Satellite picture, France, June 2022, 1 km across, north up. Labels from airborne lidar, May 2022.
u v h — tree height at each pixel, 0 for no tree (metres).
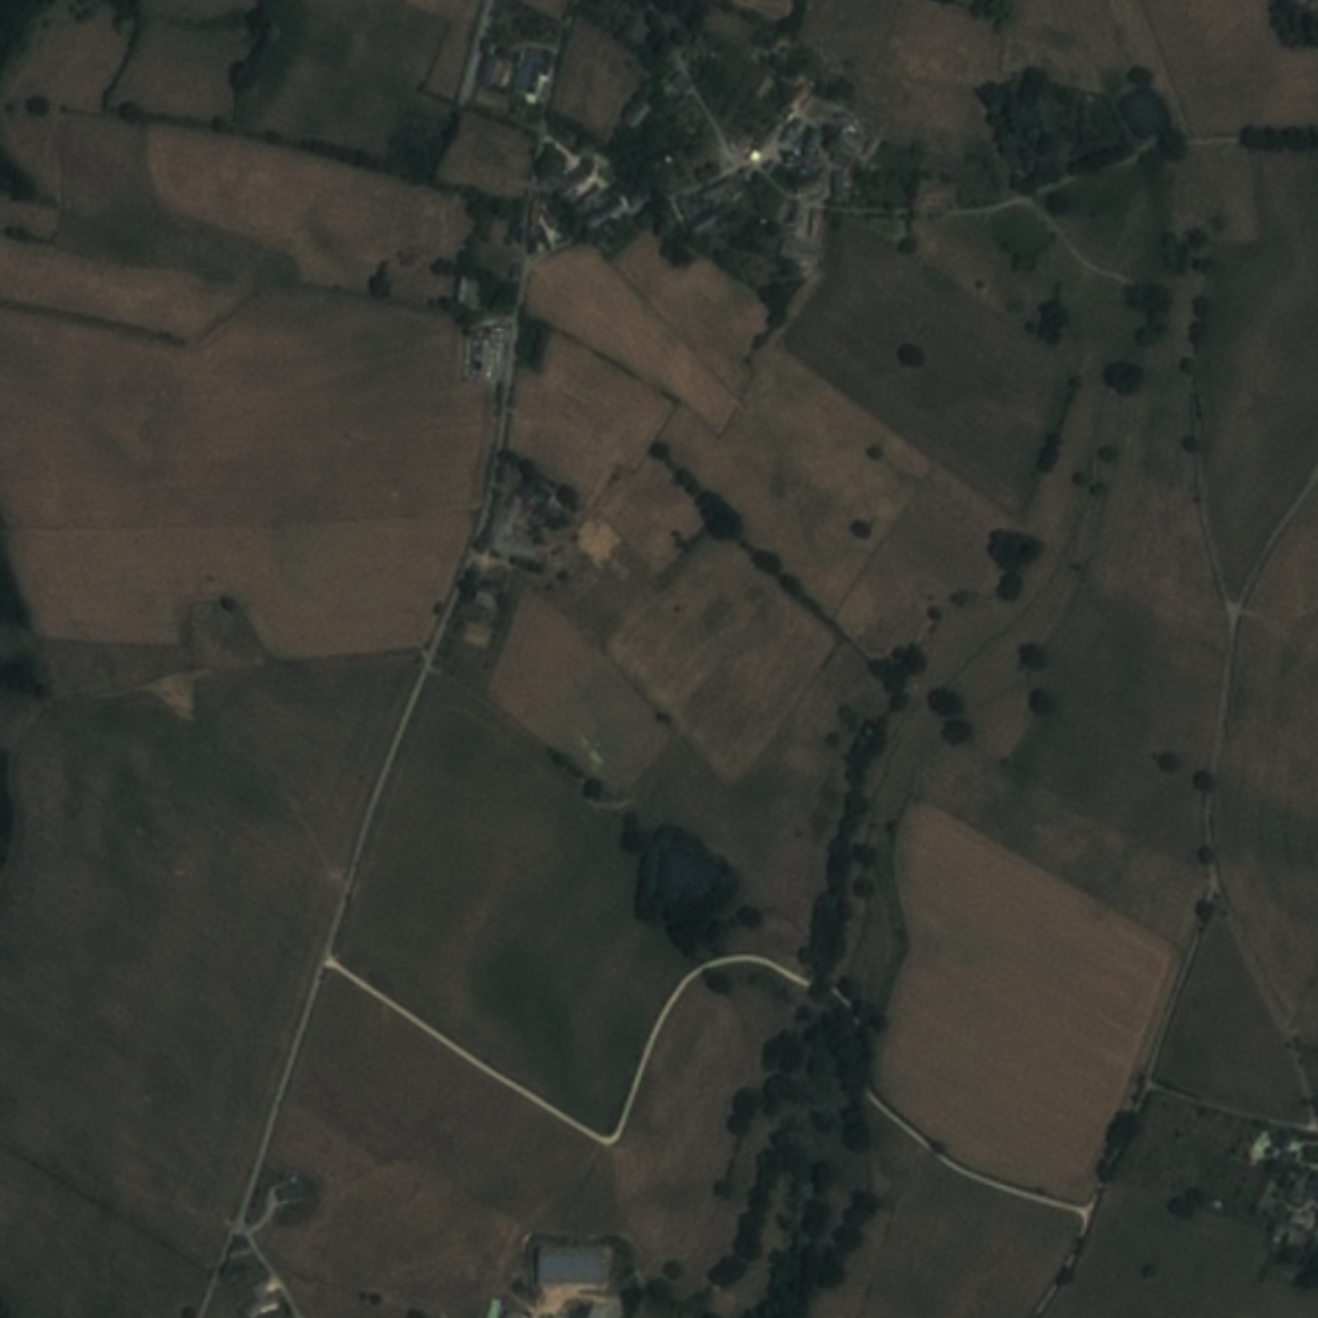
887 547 0
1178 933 0
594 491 0
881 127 0
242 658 0
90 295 0
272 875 0
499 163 0
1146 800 0
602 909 0
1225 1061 0
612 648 0
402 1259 0
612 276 0
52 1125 0
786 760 0
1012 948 0
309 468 0
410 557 0
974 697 0
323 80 0
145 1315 0
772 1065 13
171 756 0
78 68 0
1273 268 0
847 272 0
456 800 0
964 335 0
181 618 0
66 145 0
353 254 0
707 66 10
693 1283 0
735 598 0
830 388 0
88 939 0
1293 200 0
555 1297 0
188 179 0
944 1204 0
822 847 0
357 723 0
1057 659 0
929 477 0
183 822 0
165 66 0
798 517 0
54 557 0
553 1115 0
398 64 0
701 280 0
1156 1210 0
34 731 0
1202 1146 0
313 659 0
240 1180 0
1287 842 0
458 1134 0
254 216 0
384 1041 0
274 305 0
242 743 0
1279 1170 9
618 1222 0
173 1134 0
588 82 0
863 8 0
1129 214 0
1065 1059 0
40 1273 0
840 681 0
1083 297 0
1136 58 0
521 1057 0
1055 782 0
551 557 0
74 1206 0
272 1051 0
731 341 0
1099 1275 0
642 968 0
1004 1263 0
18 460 0
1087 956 0
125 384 0
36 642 0
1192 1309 0
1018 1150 0
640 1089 0
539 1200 0
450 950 0
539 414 0
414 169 6
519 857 0
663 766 0
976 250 0
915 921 0
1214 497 0
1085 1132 0
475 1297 0
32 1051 0
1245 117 0
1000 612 0
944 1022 0
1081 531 0
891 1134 0
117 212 0
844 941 18
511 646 0
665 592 0
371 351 0
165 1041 0
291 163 0
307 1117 0
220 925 0
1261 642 0
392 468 0
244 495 0
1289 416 0
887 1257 0
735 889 9
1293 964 0
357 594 0
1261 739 0
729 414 0
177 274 0
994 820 0
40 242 6
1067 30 0
